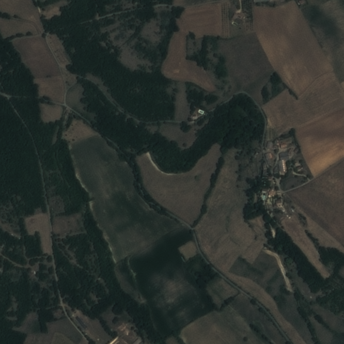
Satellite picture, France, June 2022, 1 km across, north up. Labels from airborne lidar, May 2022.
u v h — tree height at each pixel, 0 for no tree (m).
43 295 10
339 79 0
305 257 12
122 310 16
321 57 0
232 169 0
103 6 10
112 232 0
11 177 12
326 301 7
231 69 0
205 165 0
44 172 8
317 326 0
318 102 0
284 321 0
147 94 12
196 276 12
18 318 11
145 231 0
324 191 0
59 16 9
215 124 19
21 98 10
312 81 0
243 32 0
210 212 0
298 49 0
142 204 0
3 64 12
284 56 0
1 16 12
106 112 10
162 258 0
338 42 0
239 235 0
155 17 7
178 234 0
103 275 13
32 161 11
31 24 0
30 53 0
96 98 7
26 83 12
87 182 0
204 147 21
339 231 0
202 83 0
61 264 13
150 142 15
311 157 0
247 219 8
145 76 11
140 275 0
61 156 10
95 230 13
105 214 0
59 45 0
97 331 0
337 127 0
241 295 0
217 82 0
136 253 0
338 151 0
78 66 11
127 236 0
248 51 0
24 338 13
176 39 0
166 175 0
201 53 8
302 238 0
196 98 8
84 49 11
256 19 0
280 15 0
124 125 16
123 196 0
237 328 0
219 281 0
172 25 8
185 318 0
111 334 14
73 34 13
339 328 0
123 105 11
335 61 0
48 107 0
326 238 0
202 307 0
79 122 0
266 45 0
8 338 10
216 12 0
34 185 11
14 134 11
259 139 7
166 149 13
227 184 0
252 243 0
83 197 11
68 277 7
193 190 0
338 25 0
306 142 0
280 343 0
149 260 0
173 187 0
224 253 0
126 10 7
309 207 0
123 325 0
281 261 0
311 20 0
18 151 10
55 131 9
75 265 5
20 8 0
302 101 0
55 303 7
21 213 8
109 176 0
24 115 12
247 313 0
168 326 0
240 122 12
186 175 0
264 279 0
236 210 0
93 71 6
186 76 0
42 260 8
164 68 0
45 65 0
